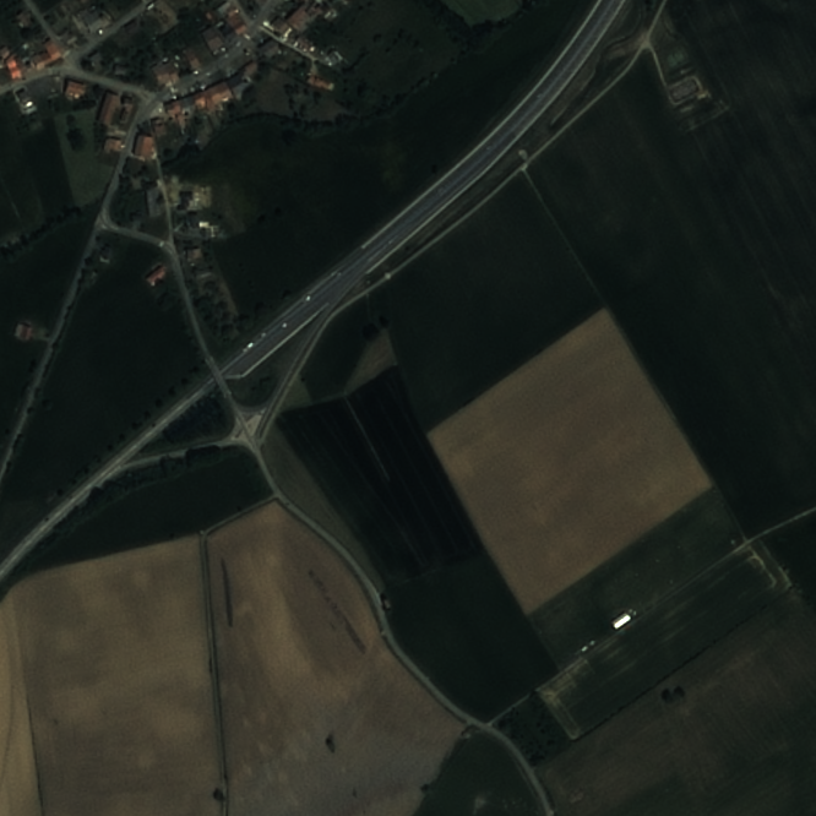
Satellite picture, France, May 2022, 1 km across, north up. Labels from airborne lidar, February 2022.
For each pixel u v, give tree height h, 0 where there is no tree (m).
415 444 0
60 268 0
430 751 0
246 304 0
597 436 0
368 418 0
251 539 0
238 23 0
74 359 0
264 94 0
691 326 0
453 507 0
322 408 0
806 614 0
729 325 0
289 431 0
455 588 0
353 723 0
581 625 0
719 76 0
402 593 0
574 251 0
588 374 0
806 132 0
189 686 0
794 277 0
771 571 0
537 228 0
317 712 0
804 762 0
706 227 0
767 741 0
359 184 0
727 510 0
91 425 0
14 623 0
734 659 0
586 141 0
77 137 23
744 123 0
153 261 0
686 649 0
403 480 0
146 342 0
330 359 0
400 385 0
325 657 0
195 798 0
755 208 0
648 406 0
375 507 0
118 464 0
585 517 0
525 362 0
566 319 0
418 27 0
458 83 0
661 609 0
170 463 15
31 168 0
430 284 0
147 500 0
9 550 0
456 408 0
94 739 0
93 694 0
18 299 0
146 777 0
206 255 6
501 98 0
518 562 0
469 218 0
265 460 0
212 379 0
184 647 0
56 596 0
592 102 0
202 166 0
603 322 0
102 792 0
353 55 0
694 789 0
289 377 0
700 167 0
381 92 0
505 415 0
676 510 0
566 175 0
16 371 0
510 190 0
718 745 0
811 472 0
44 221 0
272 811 0
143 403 0
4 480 0
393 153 0
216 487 0
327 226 0
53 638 0
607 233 0
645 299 0
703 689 0
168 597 0
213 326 6
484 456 0
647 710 0
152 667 0
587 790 0
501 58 0
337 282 0
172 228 0
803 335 0
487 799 0
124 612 0
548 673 0
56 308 0
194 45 0
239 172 0
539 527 0
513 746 0
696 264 0
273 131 0
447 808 0
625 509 0
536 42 0
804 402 0
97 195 0
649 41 0
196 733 0
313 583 0
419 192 0
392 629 0
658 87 0
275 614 0
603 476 0
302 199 0
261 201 0
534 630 0
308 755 0
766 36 0
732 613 0
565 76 0
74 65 0
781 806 0
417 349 0
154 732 0
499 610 0
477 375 0
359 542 0
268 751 0
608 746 0
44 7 0
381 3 0
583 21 0
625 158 0
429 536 0
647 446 0
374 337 18
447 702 0
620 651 0
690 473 0
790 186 0
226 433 0
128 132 0
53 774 0
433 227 0
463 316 0
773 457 0
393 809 0
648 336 0
